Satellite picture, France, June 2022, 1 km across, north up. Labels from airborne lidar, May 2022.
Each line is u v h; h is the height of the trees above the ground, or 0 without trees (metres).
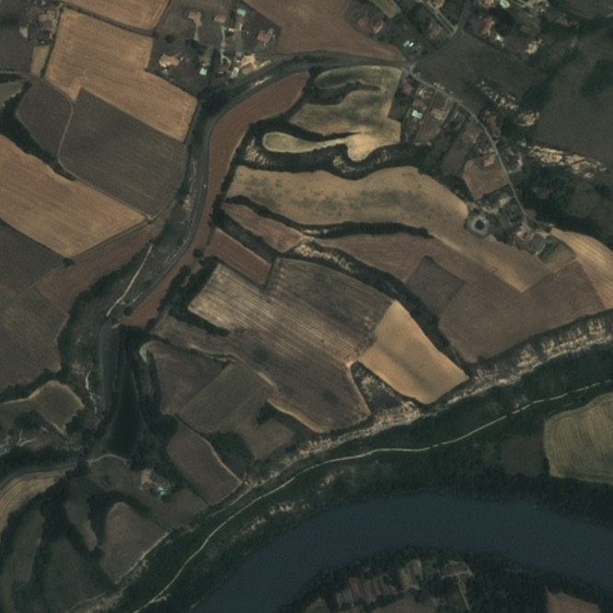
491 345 0
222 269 0
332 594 15
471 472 7
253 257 0
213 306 0
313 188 0
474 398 10
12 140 10
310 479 7
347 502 6
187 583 11
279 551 0
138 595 6
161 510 0
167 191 0
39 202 0
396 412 0
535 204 12
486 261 0
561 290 0
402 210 0
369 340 0
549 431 0
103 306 0
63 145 0
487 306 0
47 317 0
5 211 0
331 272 0
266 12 0
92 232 0
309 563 0
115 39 0
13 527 17
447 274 0
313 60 9
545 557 0
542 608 15
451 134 9
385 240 0
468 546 0
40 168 0
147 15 0
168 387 0
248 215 0
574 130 0
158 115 0
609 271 0
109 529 0
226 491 0
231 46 0
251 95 0
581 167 0
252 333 0
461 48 0
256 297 0
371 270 8
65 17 0
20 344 0
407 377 0
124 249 0
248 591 0
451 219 0
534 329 0
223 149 0
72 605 0
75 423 11
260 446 0
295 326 0
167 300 13
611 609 13
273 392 0
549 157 0
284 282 0
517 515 0
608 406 0
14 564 0
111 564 0
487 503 0
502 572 20
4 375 0
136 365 12
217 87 8
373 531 0
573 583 13
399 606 0
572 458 0
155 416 8
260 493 7
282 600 0
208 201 0
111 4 0
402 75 0
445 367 0
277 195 0
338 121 0
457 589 11
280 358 0
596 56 0
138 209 0
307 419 0
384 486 12
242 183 0
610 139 0
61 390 0
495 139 8
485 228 0
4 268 0
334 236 7
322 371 0
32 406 0
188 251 0
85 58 0
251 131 8
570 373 7
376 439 9
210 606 0
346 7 0
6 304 0
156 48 0
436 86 0
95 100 0
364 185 0
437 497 0
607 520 19
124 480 0
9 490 0
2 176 0
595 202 0
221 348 0
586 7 0
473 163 0
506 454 0
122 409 0
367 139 0
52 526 16
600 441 0
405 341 0
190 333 0
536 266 0
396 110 0
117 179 0
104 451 8
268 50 0
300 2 0
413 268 0
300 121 0
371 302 0
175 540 7
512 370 0
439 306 0
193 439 0
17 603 7
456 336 0
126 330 14
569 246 0
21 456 8
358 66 0
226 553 10
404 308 0
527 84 0
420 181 0
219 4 0
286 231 0
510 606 18
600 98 0
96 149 0
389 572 17
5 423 0
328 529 0
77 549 11
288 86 0
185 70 0
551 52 0
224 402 0
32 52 0
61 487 15
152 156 0
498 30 7
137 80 0
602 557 0
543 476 12
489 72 0
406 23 0
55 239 0
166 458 10
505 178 0
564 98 0
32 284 0
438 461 14
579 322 6
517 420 11
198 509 0
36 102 0
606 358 17
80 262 0
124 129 0
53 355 0
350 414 0
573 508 11
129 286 0
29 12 0
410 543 0
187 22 0
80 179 0
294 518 10
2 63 0
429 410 7
